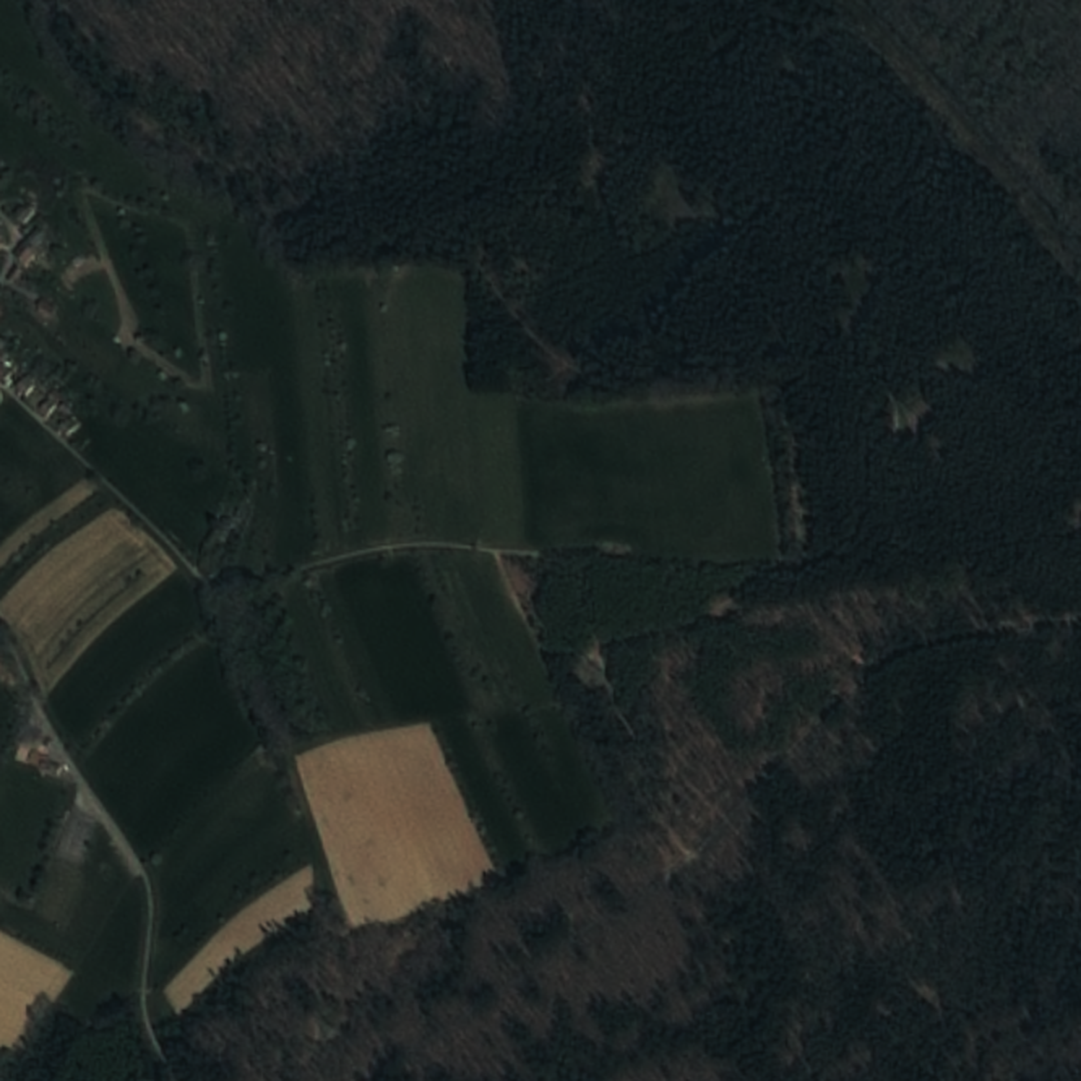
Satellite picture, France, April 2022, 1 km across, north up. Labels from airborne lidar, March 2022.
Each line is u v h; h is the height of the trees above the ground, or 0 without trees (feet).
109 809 0
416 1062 86
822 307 95
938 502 74
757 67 90
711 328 88
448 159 92
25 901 33
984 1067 32
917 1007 83
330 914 72
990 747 71
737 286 78
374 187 93
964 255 92
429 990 78
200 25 83
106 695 0
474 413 0
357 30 70
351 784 0
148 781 0
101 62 53
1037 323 71
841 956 72
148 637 0
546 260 28
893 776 85
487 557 0
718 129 93
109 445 0
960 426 90
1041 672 74
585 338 27
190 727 0
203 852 0
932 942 72
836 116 88
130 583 21
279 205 91
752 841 59
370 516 0
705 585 43
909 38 74
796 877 65
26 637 0
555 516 0
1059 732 62
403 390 0
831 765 81
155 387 0
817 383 77
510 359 46
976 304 101
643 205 105
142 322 0
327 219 82
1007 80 36
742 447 0
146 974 0
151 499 0
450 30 80
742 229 89
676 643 60
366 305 0
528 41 92
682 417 0
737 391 82
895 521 81
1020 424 93
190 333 0
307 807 0
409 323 0
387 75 74
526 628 0
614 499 0
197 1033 71
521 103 86
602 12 81
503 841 0
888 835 85
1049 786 99
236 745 0
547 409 0
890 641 76
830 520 71
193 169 87
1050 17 65
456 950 71
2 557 0
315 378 0
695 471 0
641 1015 87
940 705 76
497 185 89
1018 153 67
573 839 0
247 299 0
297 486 0
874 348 90
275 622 32
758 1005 84
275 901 0
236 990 30
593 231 25
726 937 82
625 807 75
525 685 0
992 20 84
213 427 0
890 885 70
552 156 91
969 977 71
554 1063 93
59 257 30
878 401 84
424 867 0
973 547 86
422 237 98
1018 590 63
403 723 0
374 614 0
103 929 0
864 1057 72
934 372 83
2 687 0
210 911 0
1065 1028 73
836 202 93
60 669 0
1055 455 67
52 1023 38
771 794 90
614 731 63
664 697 68
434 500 0
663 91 93
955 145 72
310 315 0
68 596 0
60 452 0
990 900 71
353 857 0
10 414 0
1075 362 103
